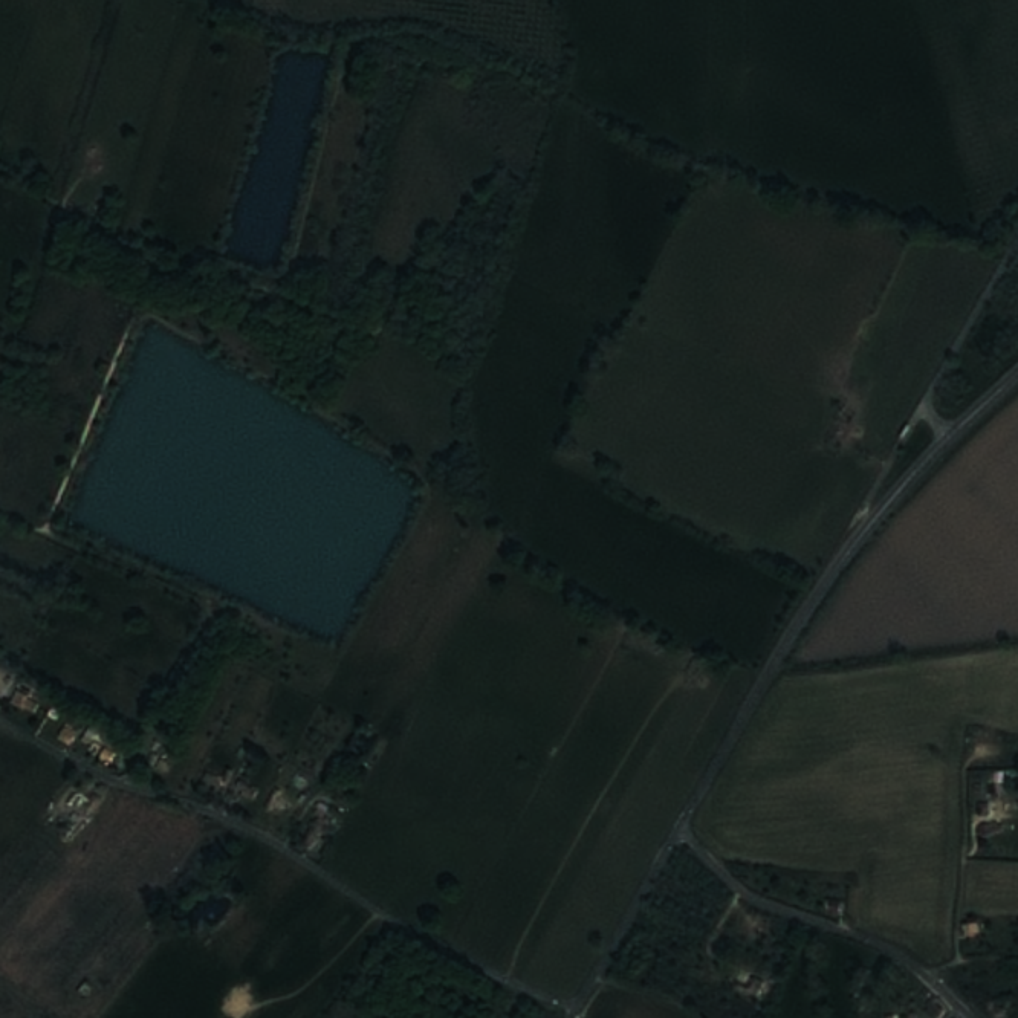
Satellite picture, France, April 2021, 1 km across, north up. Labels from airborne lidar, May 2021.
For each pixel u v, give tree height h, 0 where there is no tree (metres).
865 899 0
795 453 0
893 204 0
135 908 0
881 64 0
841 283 0
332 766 11
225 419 0
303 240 0
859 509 0
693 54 0
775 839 0
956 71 0
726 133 0
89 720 20
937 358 0
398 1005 15
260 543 0
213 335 20
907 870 0
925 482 0
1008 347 16
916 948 0
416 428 0
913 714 0
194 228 0
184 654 7
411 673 0
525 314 0
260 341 16
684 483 0
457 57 10
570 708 0
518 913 0
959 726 0
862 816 0
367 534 0
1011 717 0
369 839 0
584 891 0
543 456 0
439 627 0
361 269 17
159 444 0
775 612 0
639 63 0
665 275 0
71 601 21
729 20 0
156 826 0
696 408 0
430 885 0
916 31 0
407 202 0
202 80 0
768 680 0
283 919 0
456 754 0
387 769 0
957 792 0
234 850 13
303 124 0
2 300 0
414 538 0
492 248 12
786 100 0
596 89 0
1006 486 0
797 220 0
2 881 0
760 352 0
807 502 0
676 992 12
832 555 0
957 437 0
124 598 0
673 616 0
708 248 0
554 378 0
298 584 0
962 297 0
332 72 13
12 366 13
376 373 0
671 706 0
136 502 0
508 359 0
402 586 0
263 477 0
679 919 9
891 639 0
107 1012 0
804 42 0
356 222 12
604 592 0
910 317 0
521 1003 10
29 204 0
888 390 0
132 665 0
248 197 0
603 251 0
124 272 26
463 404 10
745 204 0
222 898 0
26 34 0
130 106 0
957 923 0
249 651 10
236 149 0
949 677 0
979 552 0
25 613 0
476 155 0
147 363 0
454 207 0
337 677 0
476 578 0
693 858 8
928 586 0
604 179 0
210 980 0
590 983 0
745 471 0
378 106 13
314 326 18
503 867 0
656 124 0
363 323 19
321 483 0
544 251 0
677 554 0
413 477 18
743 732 0
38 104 0
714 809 0
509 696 0
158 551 0
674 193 0
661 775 0
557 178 0
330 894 0
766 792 0
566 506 0
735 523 0
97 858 0
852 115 0
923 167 0
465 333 12
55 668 0
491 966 0
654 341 0
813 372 0
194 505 0
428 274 20
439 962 23
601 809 0
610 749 0
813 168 0
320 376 12
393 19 6
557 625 0
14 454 0
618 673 0
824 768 0
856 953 0
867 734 0
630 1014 0
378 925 0
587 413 9
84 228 21
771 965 7
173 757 17
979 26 0
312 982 0
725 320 0
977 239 19
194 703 23
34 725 6
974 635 0
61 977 0
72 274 17
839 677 0
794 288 0
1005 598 0
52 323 0
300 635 7
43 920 0
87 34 0
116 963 0
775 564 15
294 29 19
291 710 0
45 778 0
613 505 0
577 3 0
